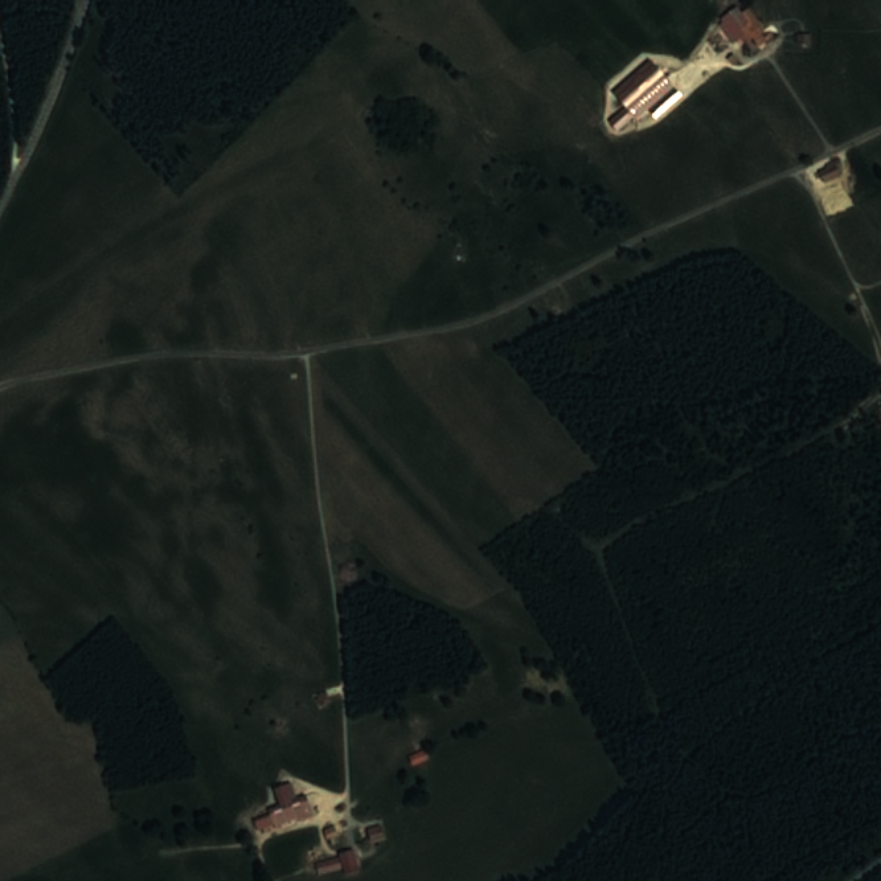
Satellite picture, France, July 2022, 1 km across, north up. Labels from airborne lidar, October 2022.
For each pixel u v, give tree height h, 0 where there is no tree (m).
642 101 0
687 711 20
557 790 0
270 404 0
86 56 0
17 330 0
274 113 0
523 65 0
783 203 0
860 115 0
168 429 0
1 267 0
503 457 0
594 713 16
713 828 22
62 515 0
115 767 16
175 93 26
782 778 16
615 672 8
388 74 0
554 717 0
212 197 0
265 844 0
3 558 0
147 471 0
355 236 0
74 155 0
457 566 0
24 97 20
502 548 8
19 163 0
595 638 8
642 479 10
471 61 0
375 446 0
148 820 0
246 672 0
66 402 0
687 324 19
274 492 0
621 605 8
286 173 0
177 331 0
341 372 0
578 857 23
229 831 0
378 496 0
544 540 10
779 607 9
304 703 0
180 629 0
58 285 0
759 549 7
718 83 0
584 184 0
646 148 0
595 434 14
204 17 26
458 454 0
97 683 15
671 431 16
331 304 0
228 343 0
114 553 0
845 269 0
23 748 0
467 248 0
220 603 0
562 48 0
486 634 0
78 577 0
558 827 0
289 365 0
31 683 0
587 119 0
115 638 14
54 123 0
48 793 0
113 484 0
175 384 0
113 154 0
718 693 21
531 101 0
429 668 23
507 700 0
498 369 0
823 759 26
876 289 0
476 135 0
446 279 0
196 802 0
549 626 9
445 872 0
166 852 0
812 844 22
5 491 0
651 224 0
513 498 0
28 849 0
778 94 0
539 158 0
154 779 13
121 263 0
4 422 0
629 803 24
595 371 8
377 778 0
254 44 25
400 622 19
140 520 0
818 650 19
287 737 0
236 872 0
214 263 0
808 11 0
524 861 0
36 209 0
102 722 14
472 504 0
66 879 0
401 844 0
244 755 0
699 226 0
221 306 0
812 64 0
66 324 0
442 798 0
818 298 0
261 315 0
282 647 0
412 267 0
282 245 0
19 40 21
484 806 0
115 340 0
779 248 0
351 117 0
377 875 0
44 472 0
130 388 0
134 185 0
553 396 18
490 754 0
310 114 0
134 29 23
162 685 14
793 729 17
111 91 0
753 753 17
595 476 8
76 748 0
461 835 0
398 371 0
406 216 0
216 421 0
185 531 0
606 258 0
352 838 0
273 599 0
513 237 0
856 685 22
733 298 20
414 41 0
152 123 25
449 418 0
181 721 17
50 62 18
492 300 0
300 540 0
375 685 20
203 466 0
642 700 8
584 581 8
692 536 9
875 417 8
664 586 8
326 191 0
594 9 0
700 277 19
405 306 0
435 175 0
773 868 23
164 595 0
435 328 0
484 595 0
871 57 0
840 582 8
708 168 0
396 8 0
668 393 22
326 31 24
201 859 0
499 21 0
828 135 0
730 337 17
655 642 8
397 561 0
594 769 0
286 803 0
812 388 32
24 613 0
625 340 12
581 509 7
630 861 11
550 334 23
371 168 0
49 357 0
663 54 0
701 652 8
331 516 0
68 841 0
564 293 0
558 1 0
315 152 0
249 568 0
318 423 0
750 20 0
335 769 0
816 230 0
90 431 0
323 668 0
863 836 20
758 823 23
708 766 15
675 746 22
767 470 10
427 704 0
